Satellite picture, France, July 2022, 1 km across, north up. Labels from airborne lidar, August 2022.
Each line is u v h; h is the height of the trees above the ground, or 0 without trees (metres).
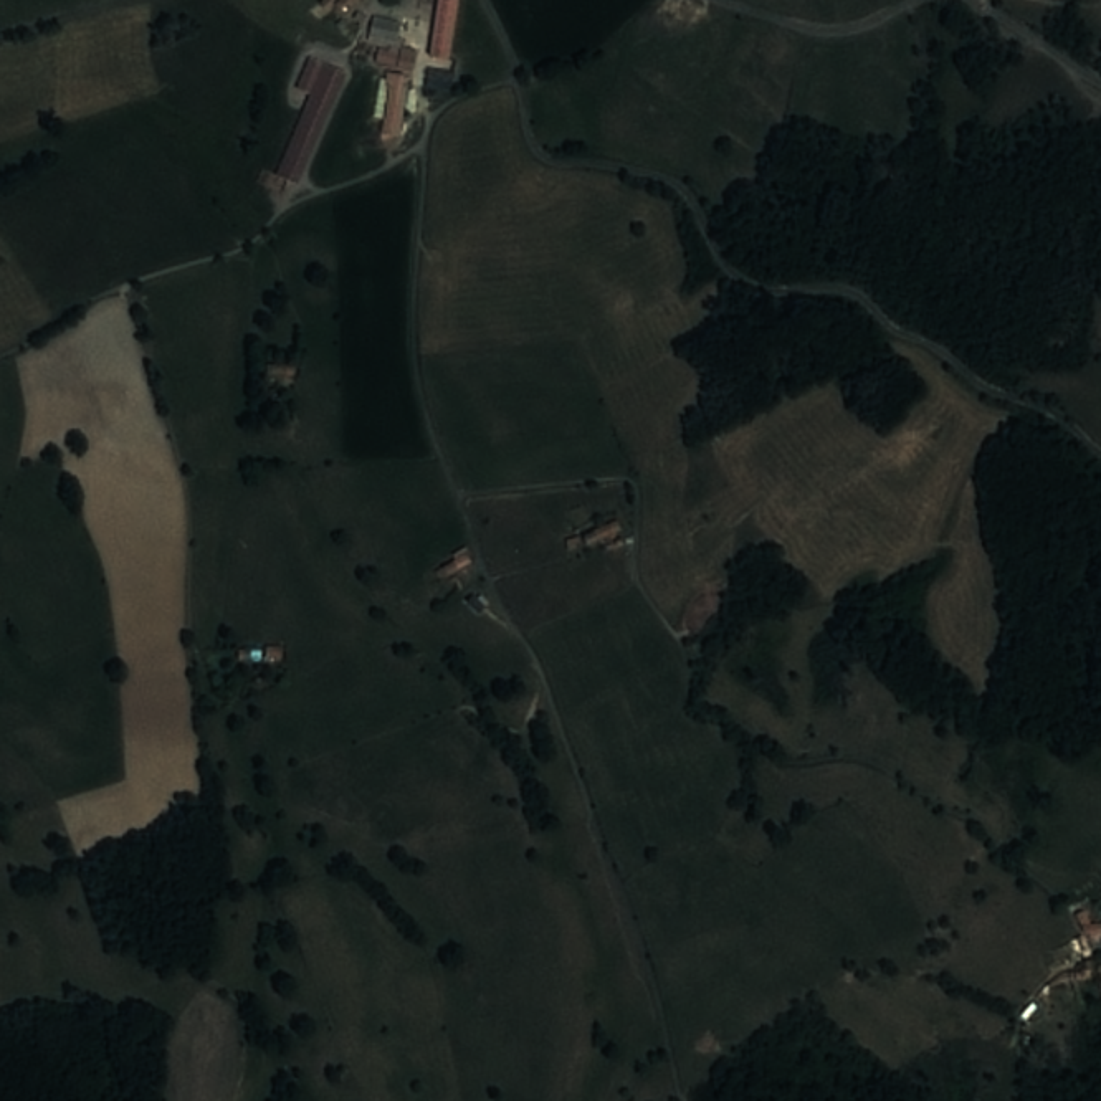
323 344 0
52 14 0
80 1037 15
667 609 0
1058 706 18
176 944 18
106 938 13
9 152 0
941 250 15
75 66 0
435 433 0
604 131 0
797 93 0
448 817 0
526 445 0
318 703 0
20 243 0
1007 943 0
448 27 0
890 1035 0
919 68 0
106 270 0
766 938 0
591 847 0
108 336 0
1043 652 20
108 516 0
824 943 0
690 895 0
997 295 17
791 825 9
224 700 11
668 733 0
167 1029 14
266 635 0
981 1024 0
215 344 0
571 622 0
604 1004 0
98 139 0
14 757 0
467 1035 0
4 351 0
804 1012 7
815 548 0
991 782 0
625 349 0
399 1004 0
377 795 0
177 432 0
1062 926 0
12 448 0
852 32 0
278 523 0
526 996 0
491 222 0
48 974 0
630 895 0
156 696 0
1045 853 0
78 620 0
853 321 19
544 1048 0
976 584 0
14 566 0
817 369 24
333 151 0
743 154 0
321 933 0
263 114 11
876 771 0
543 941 0
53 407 0
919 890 0
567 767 0
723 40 0
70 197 0
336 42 0
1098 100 0
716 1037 0
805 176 16
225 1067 0
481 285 0
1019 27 0
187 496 0
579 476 0
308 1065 0
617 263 0
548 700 0
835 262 28
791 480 0
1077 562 28
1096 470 7
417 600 0
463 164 0
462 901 0
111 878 12
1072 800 0
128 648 0
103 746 0
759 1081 17
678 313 0
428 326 0
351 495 0
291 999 9
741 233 9
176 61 0
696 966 0
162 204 0
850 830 0
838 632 19
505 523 0
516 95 0
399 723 0
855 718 0
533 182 0
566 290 0
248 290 0
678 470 0
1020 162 13
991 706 21
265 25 0
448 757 0
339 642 0
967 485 0
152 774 0
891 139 15
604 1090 0
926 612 0
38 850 0
